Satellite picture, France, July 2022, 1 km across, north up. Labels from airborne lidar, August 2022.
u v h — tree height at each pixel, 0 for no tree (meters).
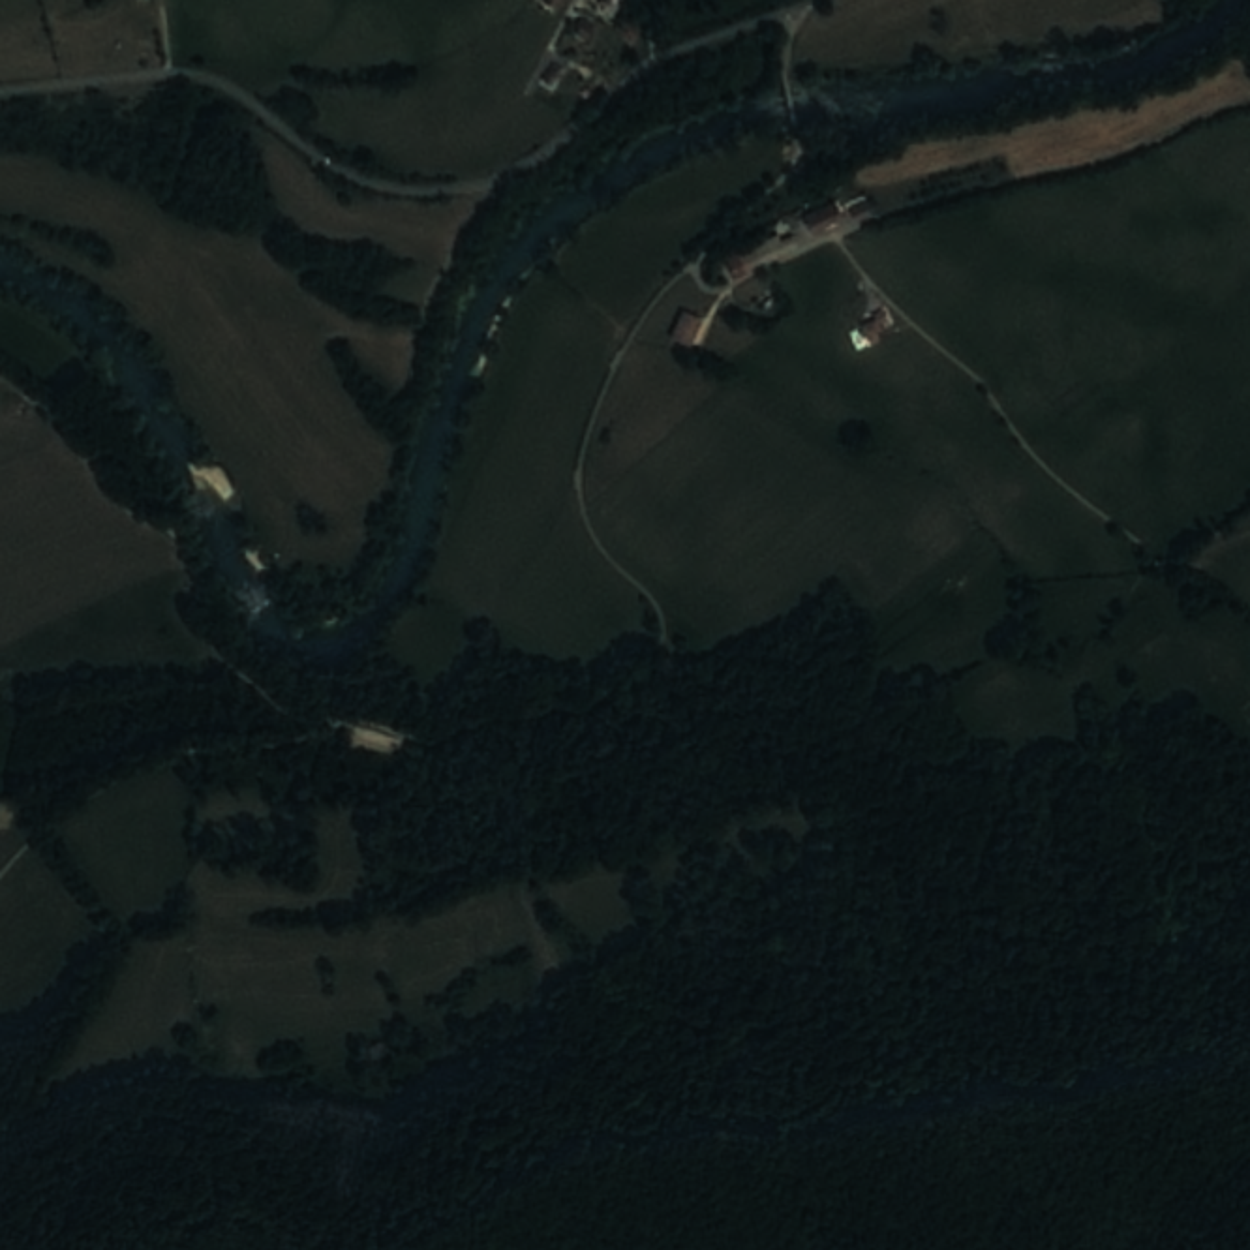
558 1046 19
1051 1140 11
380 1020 0
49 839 14
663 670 26
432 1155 29
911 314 0
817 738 26
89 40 0
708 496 0
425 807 20
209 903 0
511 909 0
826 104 0
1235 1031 17
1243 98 0
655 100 23
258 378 0
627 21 8
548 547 0
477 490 0
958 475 0
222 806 0
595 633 0
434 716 22
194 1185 28
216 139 17
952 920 24
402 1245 21
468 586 0
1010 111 19
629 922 0
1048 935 19
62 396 25
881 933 28
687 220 0
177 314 0
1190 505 0
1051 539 0
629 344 0
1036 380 0
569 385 0
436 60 0
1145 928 29
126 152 8
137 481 20
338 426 0
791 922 29
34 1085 26
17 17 0
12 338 0
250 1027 0
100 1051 0
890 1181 15
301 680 32
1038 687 0
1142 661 0
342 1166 29
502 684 25
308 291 9
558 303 0
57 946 0
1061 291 0
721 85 11
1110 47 24
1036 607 16
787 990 29
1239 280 0
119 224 0
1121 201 0
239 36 0
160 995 0
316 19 0
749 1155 16
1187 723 17
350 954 0
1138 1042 21
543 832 20
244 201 6
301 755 6
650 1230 14
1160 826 27
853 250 0
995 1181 17
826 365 0
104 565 0
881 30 0
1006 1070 21
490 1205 13
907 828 21
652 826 32
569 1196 14
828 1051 33
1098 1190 12
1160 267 0
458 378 0
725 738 23
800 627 18
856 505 0
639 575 0
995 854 26
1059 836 16
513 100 0
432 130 0
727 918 30
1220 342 0
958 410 0
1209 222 0
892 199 0
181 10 0
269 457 0
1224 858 8
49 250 0
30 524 0
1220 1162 9
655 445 0
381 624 20
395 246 0
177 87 17
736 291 0
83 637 0
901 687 25
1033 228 0
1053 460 0
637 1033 19
